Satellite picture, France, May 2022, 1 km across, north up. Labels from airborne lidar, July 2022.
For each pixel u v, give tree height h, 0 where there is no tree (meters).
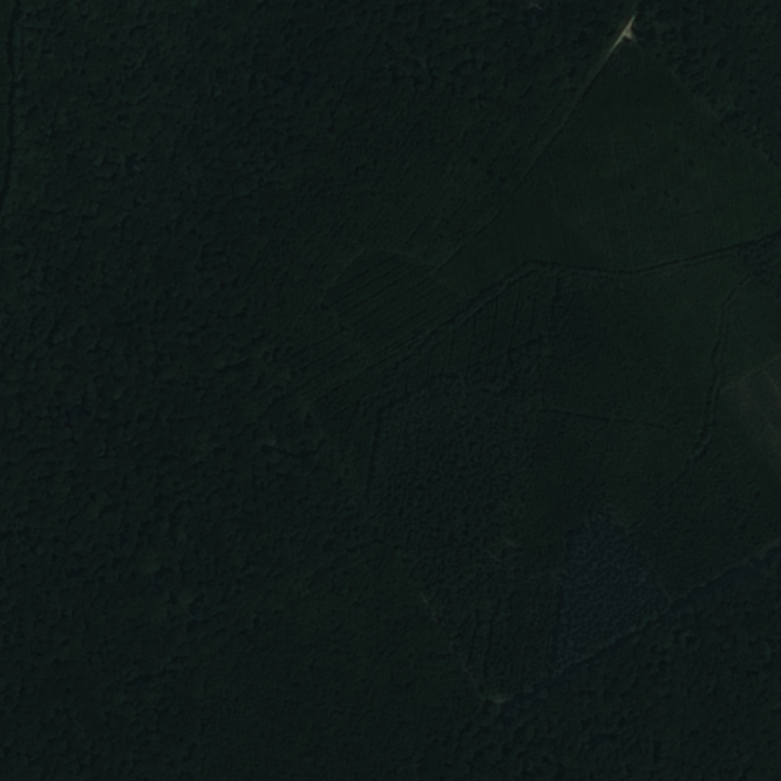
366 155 22
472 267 7
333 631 16
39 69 25
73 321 27
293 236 22
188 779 25
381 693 19
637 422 12
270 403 25
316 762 19
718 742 28
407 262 6
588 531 26
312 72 27
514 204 7
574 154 7
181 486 29
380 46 29
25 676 30
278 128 27
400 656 19
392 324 6
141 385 30
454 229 8
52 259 27
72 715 22
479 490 23
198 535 24
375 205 17
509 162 10
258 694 19
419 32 26
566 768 24
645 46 28
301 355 20
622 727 25
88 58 28
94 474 29
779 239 17
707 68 25
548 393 14
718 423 8
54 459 29
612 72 6
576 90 9
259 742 21
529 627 12
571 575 23
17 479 27
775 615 30
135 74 27
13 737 27
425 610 19
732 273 6
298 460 22
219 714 22
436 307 6
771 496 8
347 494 24
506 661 16
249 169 24
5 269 24
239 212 28
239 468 27
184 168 20
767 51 24
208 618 26
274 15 26
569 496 14
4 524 28
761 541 9
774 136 25
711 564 10
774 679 28
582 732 28
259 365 28
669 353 9
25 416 27
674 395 9
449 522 24
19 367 28
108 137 24
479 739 27
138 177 28
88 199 23
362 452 8
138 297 22
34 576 33
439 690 20
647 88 6
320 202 21
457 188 10
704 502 11
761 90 25
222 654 21
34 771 28
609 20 26
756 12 24
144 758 30
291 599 22
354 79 30
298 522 22
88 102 25
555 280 8
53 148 25
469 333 8
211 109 24
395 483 20
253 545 28
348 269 5
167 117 23
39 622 28
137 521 28
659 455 11
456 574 22
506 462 22
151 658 29
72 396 27
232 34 27
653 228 5
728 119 14
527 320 8
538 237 6
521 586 12
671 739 29
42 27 22
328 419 7
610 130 6
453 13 25
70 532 30
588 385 13
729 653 28
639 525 11
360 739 20
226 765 22
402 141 20
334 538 26
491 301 8
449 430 20
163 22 24
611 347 14
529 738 26
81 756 27
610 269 6
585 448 13
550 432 15
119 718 30
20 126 24
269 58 28
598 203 5
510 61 28
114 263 27
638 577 30
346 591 17
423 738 20
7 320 23
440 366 7
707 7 28
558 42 23
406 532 21
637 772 32
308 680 19
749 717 26
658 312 5
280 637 19
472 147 11
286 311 17
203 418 28
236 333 31
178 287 27
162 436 30
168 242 26
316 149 28
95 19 24
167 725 28
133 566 33
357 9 28
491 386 8
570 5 24
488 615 17
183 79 26
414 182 20
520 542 15
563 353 14
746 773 25
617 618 27
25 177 26
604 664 25
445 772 29
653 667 28
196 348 32
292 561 24
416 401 21
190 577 29
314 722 20
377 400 9
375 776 20
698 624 27
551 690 29
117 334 31
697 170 18
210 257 30
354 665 19
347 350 19
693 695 29
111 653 29
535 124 19
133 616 28
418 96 20
